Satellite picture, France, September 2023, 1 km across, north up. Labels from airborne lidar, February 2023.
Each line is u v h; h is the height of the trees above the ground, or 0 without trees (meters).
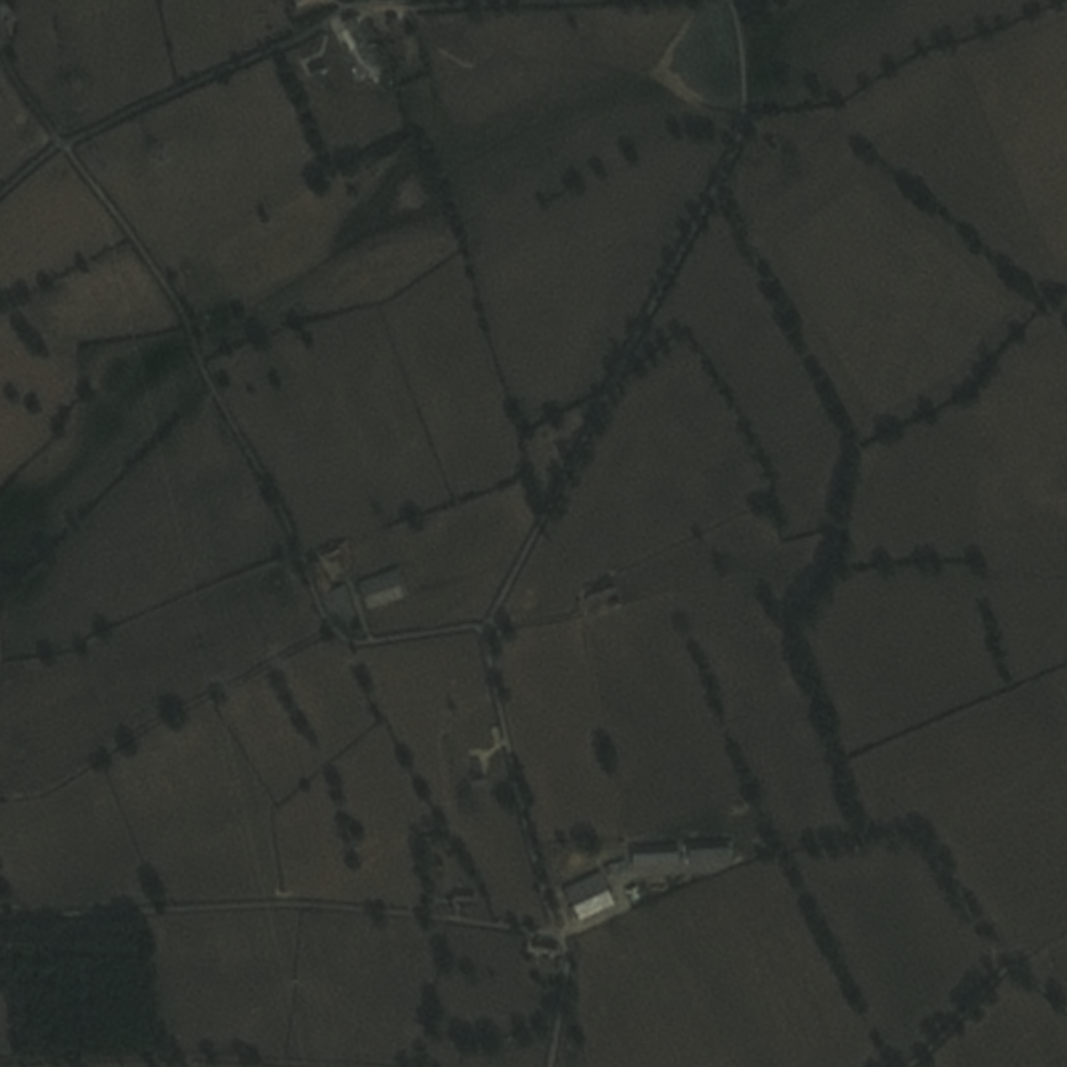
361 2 0
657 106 0
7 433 0
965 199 0
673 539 0
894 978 0
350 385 0
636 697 0
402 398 0
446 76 0
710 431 0
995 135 0
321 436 0
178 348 0
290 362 0
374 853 0
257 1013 0
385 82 0
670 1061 0
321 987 0
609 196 0
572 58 0
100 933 13
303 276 0
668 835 0
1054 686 0
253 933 0
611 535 0
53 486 0
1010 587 0
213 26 0
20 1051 16
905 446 0
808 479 0
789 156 0
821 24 0
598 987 0
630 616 0
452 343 0
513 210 0
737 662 0
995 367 12
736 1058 0
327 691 0
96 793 0
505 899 0
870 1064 0
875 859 0
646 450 0
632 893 0
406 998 0
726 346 0
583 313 0
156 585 0
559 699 0
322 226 0
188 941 0
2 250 0
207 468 0
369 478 0
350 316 0
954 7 0
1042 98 0
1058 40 0
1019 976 18
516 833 0
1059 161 0
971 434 0
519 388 0
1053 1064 0
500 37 0
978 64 0
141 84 0
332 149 0
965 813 0
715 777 0
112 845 0
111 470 0
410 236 0
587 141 0
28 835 0
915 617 0
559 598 0
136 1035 14
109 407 0
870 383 0
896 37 0
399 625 0
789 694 0
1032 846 0
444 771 0
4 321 0
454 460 0
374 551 0
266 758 0
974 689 0
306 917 0
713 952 0
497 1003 0
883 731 0
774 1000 0
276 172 0
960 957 0
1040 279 0
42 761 0
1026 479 0
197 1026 0
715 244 0
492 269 0
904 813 0
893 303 0
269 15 0
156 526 0
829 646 0
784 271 0
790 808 0
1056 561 0
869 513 0
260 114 0
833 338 0
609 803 0
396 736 0
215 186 0
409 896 0
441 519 0
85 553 0
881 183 0
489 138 0
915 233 0
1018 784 0
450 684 0
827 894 0
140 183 0
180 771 0
